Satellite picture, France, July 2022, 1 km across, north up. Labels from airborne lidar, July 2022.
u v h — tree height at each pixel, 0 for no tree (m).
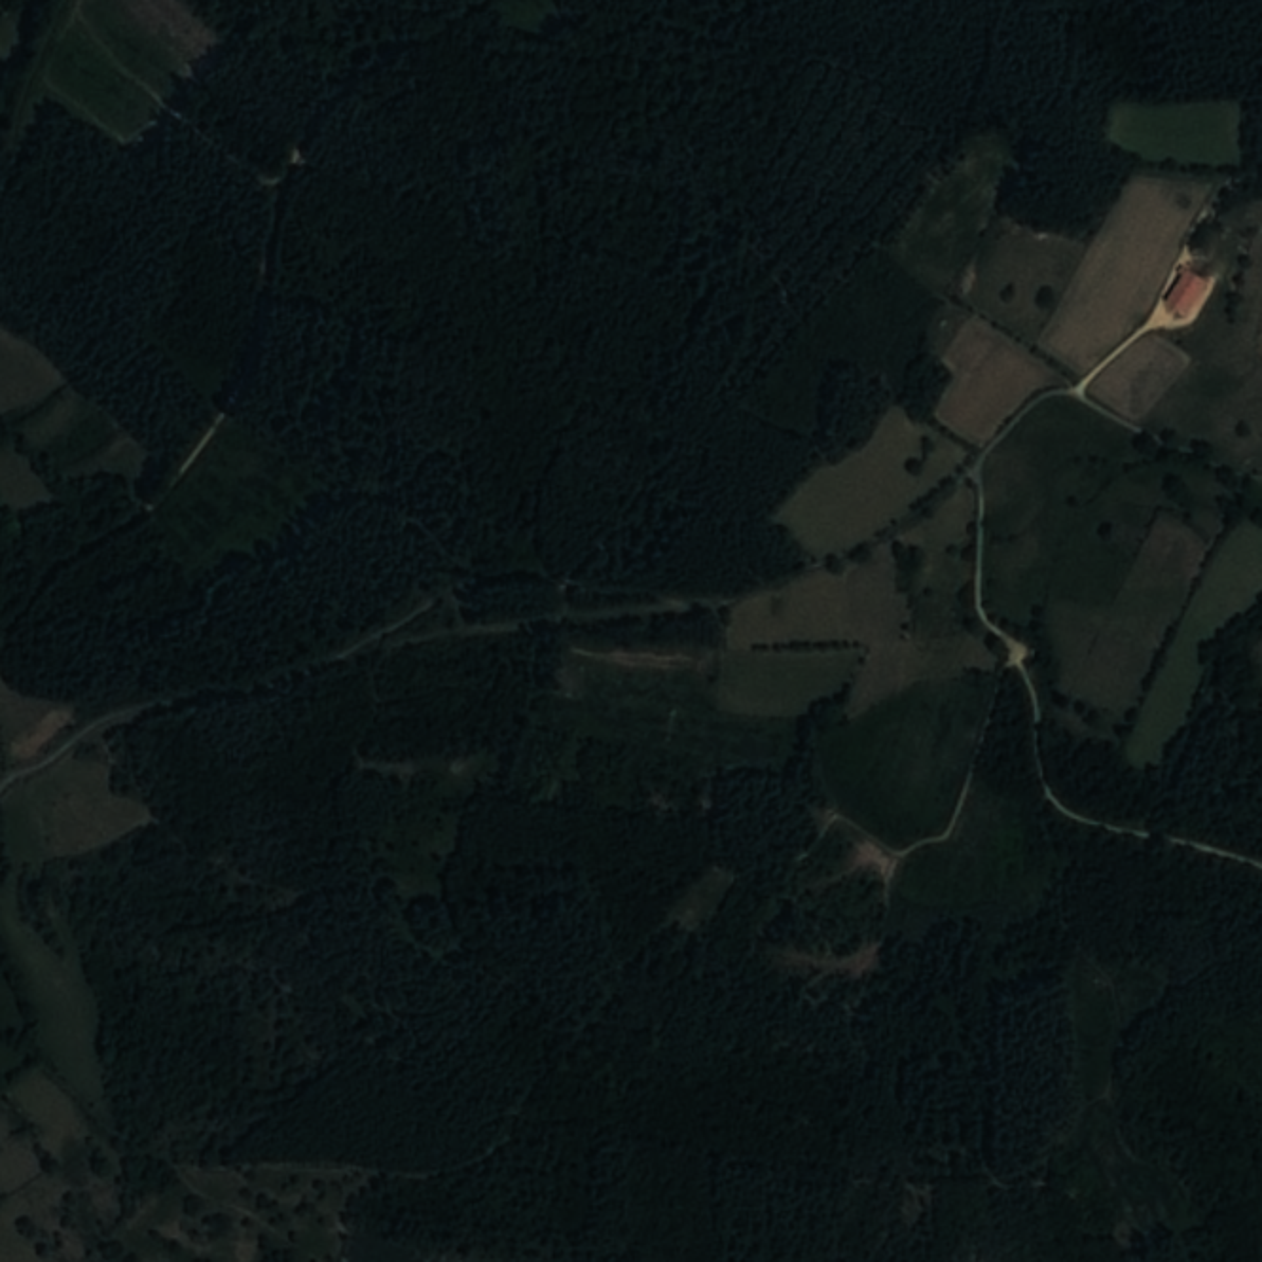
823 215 20
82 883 12
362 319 16
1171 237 0
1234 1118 9
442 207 17
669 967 21
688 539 29
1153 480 0
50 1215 0
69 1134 0
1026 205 26
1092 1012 0
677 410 23
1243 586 0
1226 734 13
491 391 8
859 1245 11
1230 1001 14
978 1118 12
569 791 8
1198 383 0
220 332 9
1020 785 9
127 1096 7
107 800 0
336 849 18
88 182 26
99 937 8
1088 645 0
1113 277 0
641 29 17
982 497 0
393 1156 15
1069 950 10
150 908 10
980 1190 10
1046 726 11
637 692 0
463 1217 15
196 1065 13
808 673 0
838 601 0
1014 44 29
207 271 10
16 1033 11
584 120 20
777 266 16
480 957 23
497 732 12
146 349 29
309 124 14
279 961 12
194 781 15
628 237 18
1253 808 11
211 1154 11
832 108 22
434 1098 21
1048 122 26
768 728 0
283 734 11
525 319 18
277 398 29
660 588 29
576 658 0
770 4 24
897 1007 14
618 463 8
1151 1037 17
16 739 0
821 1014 19
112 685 19
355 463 25
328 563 27
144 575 20
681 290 12
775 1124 8
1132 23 17
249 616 18
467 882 15
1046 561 0
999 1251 12
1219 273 0
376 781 19
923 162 20
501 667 9
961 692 0
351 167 27
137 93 0
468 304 11
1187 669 0
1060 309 0
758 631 0
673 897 12
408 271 8
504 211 27
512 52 21
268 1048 8
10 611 15
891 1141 13
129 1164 12
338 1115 17
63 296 24
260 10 18
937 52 19
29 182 19
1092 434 0
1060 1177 17
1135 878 11
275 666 14
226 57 22
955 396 0
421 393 16
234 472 0
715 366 23
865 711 0
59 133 21
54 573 14
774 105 20
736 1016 19
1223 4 24
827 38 20
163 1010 14
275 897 6
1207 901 13
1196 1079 9
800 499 0
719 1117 9
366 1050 17
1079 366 0
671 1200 14
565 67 25
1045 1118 27
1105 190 17
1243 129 9
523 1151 8
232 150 26
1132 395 0
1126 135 0
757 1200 19
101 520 16
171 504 0
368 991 21
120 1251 11
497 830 18
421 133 21
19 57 7
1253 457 0
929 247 0
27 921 6
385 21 10
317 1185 8
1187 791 22
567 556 20
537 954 29
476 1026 22
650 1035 17
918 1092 17
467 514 18
